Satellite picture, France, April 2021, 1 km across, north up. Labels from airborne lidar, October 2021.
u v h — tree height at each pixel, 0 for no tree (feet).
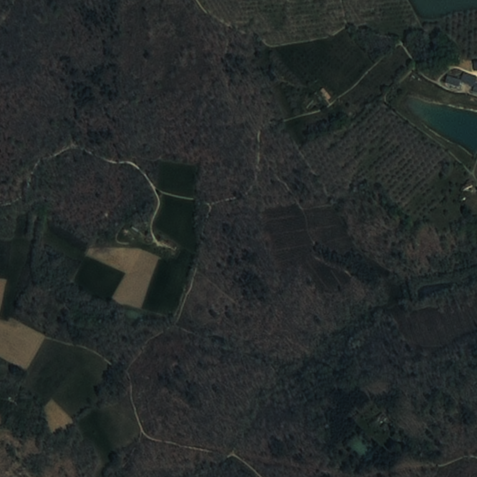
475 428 50
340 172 38
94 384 0
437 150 32
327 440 59
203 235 52
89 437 0
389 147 25
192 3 29
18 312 72
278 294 32
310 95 21
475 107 0
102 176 24
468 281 45
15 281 0
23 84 35
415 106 0
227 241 46
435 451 50
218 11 29
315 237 0
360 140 35
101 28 36
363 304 60
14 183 37
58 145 36
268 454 25
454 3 0
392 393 75
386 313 31
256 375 63
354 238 65
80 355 0
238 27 21
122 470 47
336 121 50
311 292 32
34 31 36
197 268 33
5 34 41
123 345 39
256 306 36
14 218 55
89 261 0
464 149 0
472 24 29
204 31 35
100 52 36
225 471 67
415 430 79
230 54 29
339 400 66
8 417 29
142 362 47
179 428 59
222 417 63
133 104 51
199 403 61
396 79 42
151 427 36
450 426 39
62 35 24
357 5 29
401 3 26
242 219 40
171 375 57
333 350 73
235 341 73
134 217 73
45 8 39
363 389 68
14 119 20
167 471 54
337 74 0
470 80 0
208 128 28
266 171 44
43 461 39
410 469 72
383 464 54
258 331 35
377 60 51
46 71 31
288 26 32
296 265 32
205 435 51
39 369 0
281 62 26
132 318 0
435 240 0
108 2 37
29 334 0
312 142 40
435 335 0
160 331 71
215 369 55
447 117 0
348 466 29
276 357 60
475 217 30
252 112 50
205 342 82
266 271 50
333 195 56
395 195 26
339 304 52
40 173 54
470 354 54
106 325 76
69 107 22
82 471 75
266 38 37
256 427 48
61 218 28
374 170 25
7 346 0
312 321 48
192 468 75
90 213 27
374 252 65
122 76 22
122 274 0
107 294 0
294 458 50
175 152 40
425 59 68
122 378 75
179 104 22
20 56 33
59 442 55
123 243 0
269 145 43
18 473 42
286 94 23
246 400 68
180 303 51
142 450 59
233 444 50
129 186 23
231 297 36
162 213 0
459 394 64
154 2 55
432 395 35
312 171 28
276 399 78
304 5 21
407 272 53
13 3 20
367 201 71
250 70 47
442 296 48
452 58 75
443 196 41
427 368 59
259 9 32
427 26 38
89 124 56
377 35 47
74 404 0
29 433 30
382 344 50
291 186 45
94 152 37
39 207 56
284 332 45
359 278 59
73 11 24
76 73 45
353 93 0
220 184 43
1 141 30
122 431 0
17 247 0
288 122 0
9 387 28
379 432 30
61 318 0
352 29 59
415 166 25
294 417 70
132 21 20
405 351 37
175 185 0
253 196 47
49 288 45
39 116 23
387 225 65
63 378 0
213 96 55
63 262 24
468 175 33
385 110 27
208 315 0
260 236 71
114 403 54
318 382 83
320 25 21
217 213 24
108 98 37
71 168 41
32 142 26
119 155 39
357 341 64
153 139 49
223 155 34
